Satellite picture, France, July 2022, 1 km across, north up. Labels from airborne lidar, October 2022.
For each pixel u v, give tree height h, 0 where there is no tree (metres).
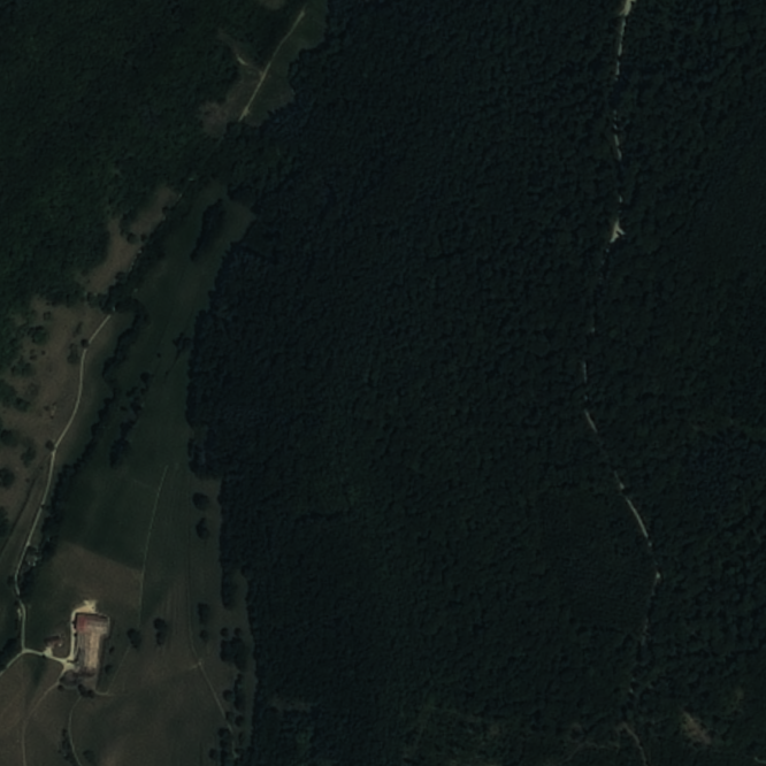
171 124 8
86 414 0
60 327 0
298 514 15
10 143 16
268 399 23
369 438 21
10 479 12
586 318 23
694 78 10
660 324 20
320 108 17
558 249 28
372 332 19
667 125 25
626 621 6
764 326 17
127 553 0
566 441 19
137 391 7
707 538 28
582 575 7
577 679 19
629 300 28
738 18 27
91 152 16
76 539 0
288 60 0
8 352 8
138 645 9
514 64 25
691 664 22
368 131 20
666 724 8
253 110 0
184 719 0
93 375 0
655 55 12
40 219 16
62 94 13
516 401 22
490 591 18
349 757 23
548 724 23
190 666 0
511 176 21
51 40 12
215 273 0
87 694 7
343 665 21
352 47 22
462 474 20
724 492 31
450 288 23
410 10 23
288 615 24
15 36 16
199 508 14
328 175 23
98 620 0
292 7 6
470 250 26
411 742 14
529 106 18
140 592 0
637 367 23
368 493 15
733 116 25
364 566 20
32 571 7
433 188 19
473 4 25
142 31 21
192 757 0
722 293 26
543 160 22
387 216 28
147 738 0
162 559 0
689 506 30
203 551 0
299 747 22
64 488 18
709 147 25
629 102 28
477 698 22
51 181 14
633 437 20
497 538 21
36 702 0
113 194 8
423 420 20
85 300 7
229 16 14
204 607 12
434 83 23
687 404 27
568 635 23
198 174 12
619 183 25
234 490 19
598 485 22
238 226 0
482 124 24
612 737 17
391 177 27
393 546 16
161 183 19
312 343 22
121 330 0
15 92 17
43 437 0
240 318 23
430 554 24
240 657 20
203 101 16
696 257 16
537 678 21
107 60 21
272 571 24
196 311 0
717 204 14
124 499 0
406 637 15
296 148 17
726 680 22
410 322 21
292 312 20
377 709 17
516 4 23
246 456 21
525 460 20
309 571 25
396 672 19
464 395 19
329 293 22
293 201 27
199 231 0
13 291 11
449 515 19
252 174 7
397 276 14
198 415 24
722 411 16
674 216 25
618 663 20
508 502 20
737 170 16
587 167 28
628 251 30
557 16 21
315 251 25
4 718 0
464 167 18
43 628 0
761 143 19
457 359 19
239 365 25
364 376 18
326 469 19
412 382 21
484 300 24
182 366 0
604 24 23
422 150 20
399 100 17
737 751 8
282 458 27
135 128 17
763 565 10
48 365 0
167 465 0
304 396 27
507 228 25
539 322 25
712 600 31
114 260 0
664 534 18
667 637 19
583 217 28
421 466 22
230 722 7
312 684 21
